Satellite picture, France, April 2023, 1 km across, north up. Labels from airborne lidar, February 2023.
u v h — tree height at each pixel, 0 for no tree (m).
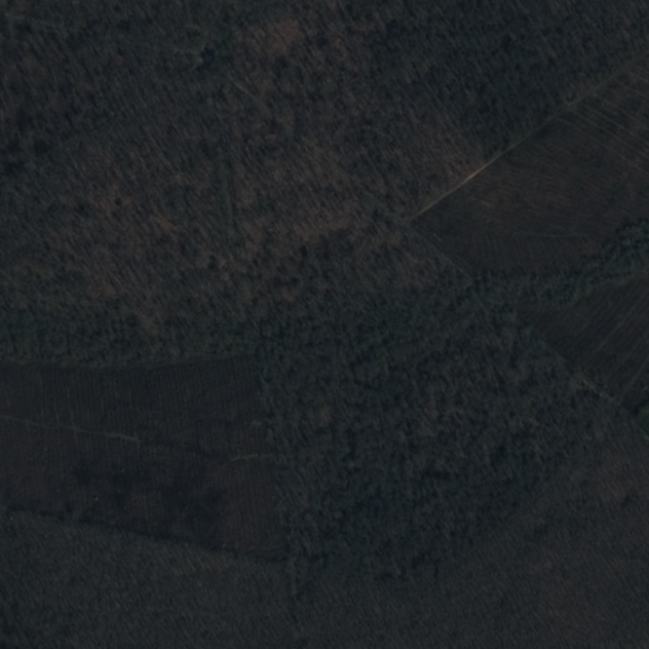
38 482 5
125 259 30
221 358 10
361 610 27
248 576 25
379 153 32
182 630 27
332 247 22
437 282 22
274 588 27
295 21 33
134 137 35
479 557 27
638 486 19
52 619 27
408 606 28
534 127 31
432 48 33
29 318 24
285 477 30
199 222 35
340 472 30
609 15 39
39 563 24
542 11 38
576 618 24
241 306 28
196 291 32
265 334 30
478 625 24
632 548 23
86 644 28
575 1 39
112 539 25
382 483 30
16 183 30
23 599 26
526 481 31
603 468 28
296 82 32
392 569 32
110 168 33
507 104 34
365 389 18
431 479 13
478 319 24
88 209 22
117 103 38
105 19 32
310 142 35
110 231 32
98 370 6
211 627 26
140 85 36
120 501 0
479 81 38
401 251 0
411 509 26
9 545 24
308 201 31
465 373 30
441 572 26
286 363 24
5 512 19
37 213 31
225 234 32
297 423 35
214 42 10
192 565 28
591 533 20
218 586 26
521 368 36
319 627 24
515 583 26
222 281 28
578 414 31
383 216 9
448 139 32
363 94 25
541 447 29
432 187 27
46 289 16
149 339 31
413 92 27
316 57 30
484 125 33
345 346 29
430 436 27
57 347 27
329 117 30
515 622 23
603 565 23
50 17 32
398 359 31
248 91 33
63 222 35
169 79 30
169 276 29
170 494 0
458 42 37
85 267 27
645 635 27
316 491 33
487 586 24
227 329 23
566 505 21
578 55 34
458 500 30
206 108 34
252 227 33
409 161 24
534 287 9
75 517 31
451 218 0
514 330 28
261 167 32
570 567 23
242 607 26
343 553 31
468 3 34
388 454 32
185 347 27
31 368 6
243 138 27
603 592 24
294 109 32
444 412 30
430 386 20
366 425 33
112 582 28
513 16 37
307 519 29
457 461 24
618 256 13
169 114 39
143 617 28
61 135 33
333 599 27
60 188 33
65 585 28
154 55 34
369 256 0
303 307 27
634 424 20
